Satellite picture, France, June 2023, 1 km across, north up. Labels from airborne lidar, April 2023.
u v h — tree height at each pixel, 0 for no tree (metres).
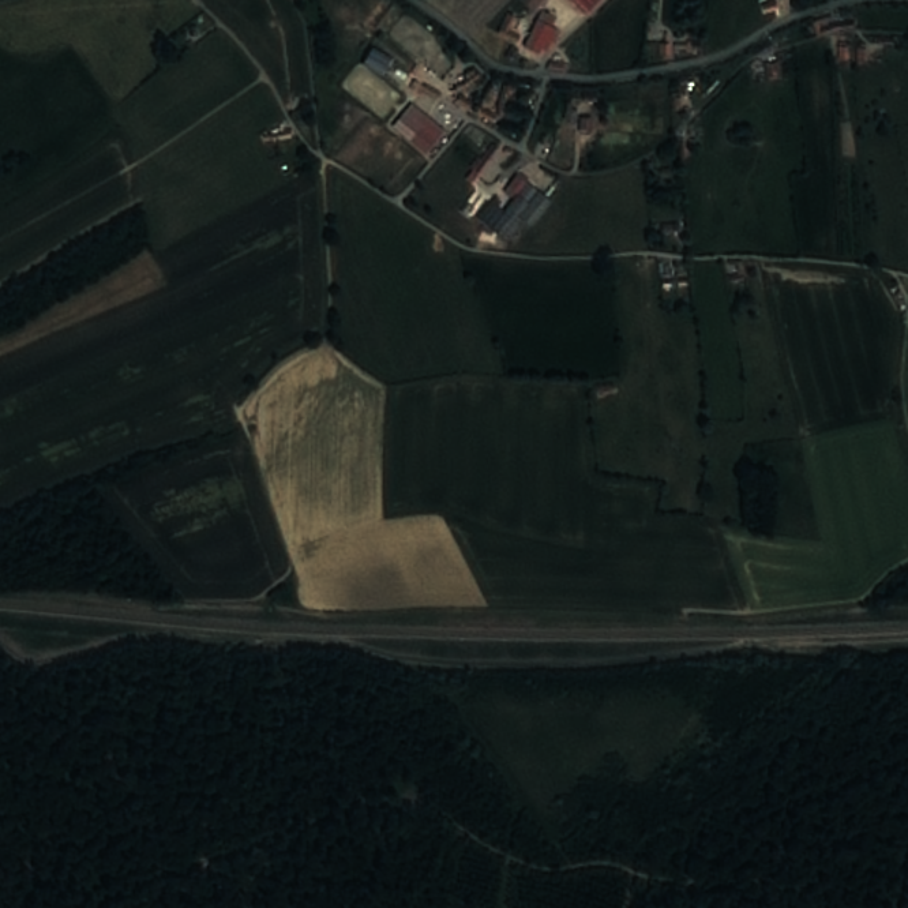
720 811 23
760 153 0
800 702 18
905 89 0
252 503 0
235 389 0
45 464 0
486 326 0
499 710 0
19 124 0
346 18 0
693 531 0
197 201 0
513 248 0
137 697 28
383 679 19
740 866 23
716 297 0
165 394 0
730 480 0
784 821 20
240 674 21
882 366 0
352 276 0
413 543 0
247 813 21
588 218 0
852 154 0
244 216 0
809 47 0
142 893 21
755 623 0
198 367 0
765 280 0
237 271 0
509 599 0
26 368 0
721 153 0
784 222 0
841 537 0
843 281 0
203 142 0
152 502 0
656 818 13
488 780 15
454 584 0
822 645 0
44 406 0
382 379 0
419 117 0
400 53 0
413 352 0
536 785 0
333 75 0
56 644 0
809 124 0
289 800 20
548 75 0
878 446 0
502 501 0
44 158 0
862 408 0
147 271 0
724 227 0
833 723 22
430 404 0
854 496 0
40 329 0
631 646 0
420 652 0
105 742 27
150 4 0
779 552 0
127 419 0
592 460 0
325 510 0
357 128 0
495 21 0
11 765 24
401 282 0
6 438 0
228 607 0
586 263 0
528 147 0
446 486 0
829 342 0
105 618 0
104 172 0
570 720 0
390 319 0
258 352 0
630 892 0
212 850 17
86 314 0
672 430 0
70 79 0
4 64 0
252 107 0
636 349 0
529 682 6
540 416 0
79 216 0
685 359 0
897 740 24
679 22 12
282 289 0
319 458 0
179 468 0
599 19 0
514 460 0
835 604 0
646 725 0
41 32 0
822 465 0
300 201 0
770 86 0
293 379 0
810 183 0
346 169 0
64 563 14
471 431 0
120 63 0
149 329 0
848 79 0
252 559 0
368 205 0
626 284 0
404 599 0
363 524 0
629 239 0
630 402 0
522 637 0
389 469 0
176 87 0
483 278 0
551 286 0
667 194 12
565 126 0
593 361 0
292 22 0
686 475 0
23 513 20
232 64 0
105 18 0
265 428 0
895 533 0
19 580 15
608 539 0
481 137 0
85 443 0
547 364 0
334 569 0
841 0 0
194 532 0
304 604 0
